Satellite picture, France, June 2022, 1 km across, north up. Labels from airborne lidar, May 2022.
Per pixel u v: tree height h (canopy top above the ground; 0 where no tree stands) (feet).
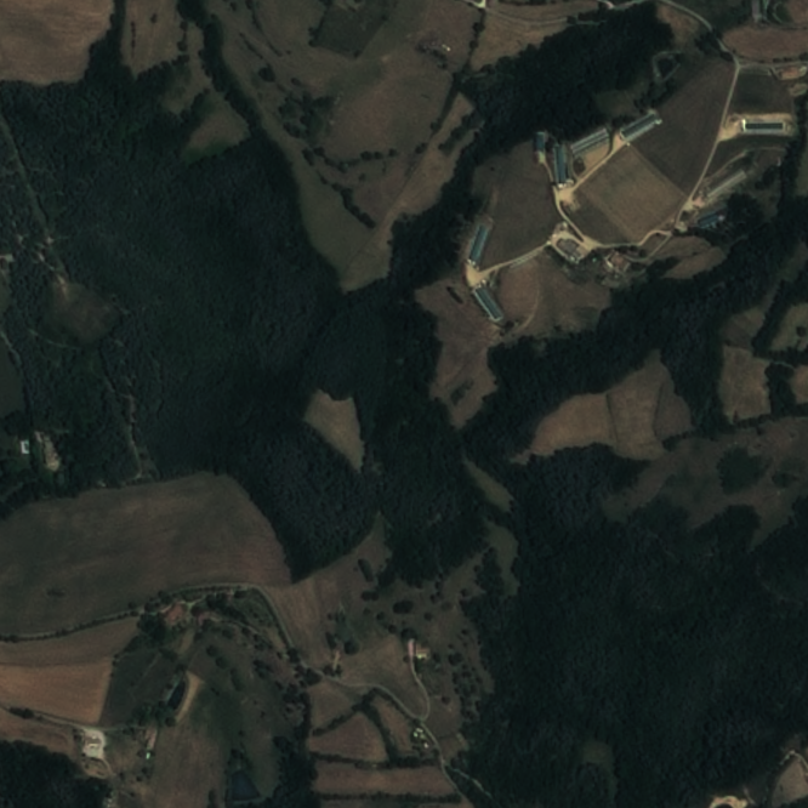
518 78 25
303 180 0
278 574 0
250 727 0
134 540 0
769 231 68
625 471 29
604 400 0
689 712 45
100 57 73
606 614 53
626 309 43
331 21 0
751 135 0
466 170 64
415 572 45
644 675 49
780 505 0
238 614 28
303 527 59
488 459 38
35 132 43
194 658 0
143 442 36
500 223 0
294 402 52
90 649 0
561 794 21
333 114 0
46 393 64
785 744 26
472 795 34
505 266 0
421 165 0
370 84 0
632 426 0
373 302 81
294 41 0
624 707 46
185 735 0
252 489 59
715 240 62
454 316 0
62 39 0
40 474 66
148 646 20
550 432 0
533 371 36
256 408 52
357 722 0
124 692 0
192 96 0
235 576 0
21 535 0
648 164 0
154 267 24
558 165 0
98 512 0
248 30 0
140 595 0
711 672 29
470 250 0
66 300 0
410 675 0
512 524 50
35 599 0
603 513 43
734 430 34
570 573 23
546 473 60
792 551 32
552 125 31
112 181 40
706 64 0
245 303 49
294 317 83
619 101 0
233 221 76
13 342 35
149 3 0
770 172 34
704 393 25
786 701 44
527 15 0
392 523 41
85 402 23
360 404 72
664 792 41
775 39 0
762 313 0
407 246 50
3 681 0
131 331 44
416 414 58
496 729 50
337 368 57
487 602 27
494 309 0
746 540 33
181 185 61
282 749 57
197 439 48
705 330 48
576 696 72
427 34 0
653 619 21
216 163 64
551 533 36
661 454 0
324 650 0
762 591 24
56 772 57
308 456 57
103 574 0
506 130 63
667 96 23
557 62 33
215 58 57
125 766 0
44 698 0
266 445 61
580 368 40
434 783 0
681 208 0
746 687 39
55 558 0
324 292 79
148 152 58
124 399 26
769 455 0
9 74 0
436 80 0
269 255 63
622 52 49
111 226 27
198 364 29
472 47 21
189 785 0
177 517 0
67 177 44
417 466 51
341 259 0
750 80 0
